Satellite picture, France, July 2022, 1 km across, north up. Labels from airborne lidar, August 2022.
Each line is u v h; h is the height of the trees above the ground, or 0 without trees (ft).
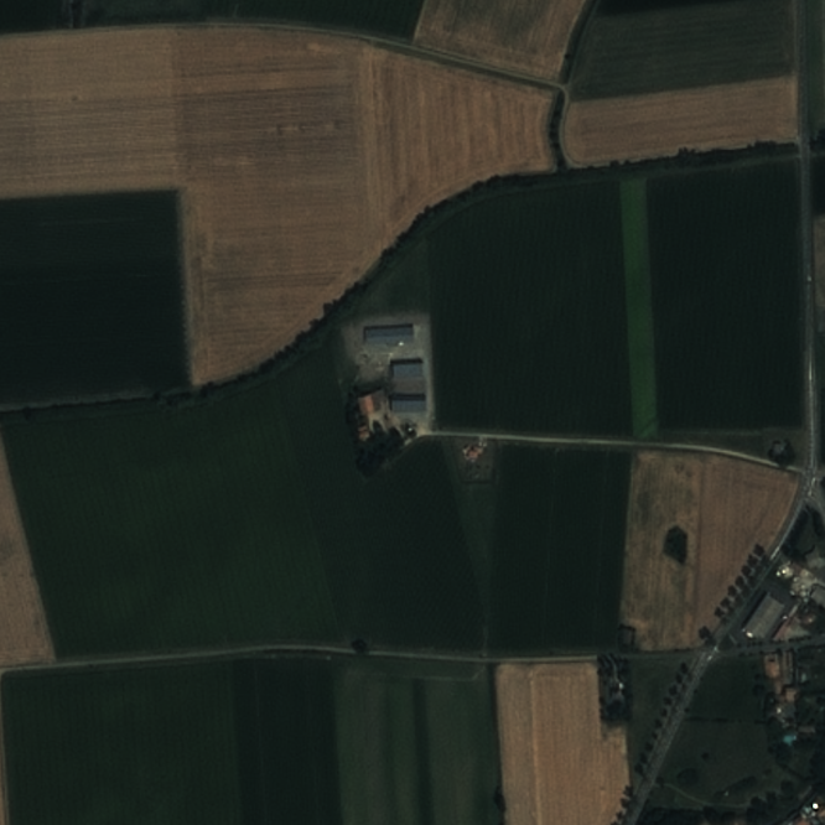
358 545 0
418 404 0
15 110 0
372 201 0
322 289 0
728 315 0
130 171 0
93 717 0
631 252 0
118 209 0
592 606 0
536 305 0
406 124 0
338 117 0
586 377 0
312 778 0
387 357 0
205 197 0
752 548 0
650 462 0
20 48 0
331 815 0
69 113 0
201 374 0
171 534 0
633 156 0
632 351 0
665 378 0
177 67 0
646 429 0
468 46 0
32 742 0
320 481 0
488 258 0
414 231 35
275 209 0
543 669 0
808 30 0
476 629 0
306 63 0
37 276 0
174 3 0
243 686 0
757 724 17
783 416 0
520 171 0
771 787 0
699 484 0
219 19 0
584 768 0
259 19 0
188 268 0
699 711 0
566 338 0
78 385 0
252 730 0
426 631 0
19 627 0
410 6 0
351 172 0
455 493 0
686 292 0
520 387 0
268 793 0
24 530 0
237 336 0
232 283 0
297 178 0
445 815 0
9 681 0
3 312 0
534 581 0
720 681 0
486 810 0
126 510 0
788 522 0
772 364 0
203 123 0
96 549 0
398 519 0
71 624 0
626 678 35
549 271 0
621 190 0
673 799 0
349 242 0
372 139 0
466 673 0
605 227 0
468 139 0
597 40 0
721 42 0
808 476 0
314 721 0
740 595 68
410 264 0
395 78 0
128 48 0
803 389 0
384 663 0
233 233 0
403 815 0
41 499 0
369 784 0
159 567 0
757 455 0
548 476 0
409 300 0
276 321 0
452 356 0
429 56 0
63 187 0
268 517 0
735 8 0
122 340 0
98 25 0
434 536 0
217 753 0
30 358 0
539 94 0
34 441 0
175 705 0
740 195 0
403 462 0
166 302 0
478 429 0
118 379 0
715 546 0
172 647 0
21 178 0
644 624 0
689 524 0
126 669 0
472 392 0
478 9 0
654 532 0
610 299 0
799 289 0
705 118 0
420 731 0
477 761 0
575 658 0
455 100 0
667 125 0
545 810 0
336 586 0
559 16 0
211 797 0
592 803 0
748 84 0
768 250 0
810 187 0
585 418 0
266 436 0
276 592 0
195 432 0
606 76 0
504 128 0
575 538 0
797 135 0
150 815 0
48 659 0
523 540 0
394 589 0
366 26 0
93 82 0
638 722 0
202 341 0
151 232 0
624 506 0
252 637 0
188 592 0
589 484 0
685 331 0
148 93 0
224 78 0
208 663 0
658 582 0
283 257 0
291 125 0
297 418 0
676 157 22
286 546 0
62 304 0
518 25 0
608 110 0
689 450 0
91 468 0
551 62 0
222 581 0
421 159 0
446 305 0
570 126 0
